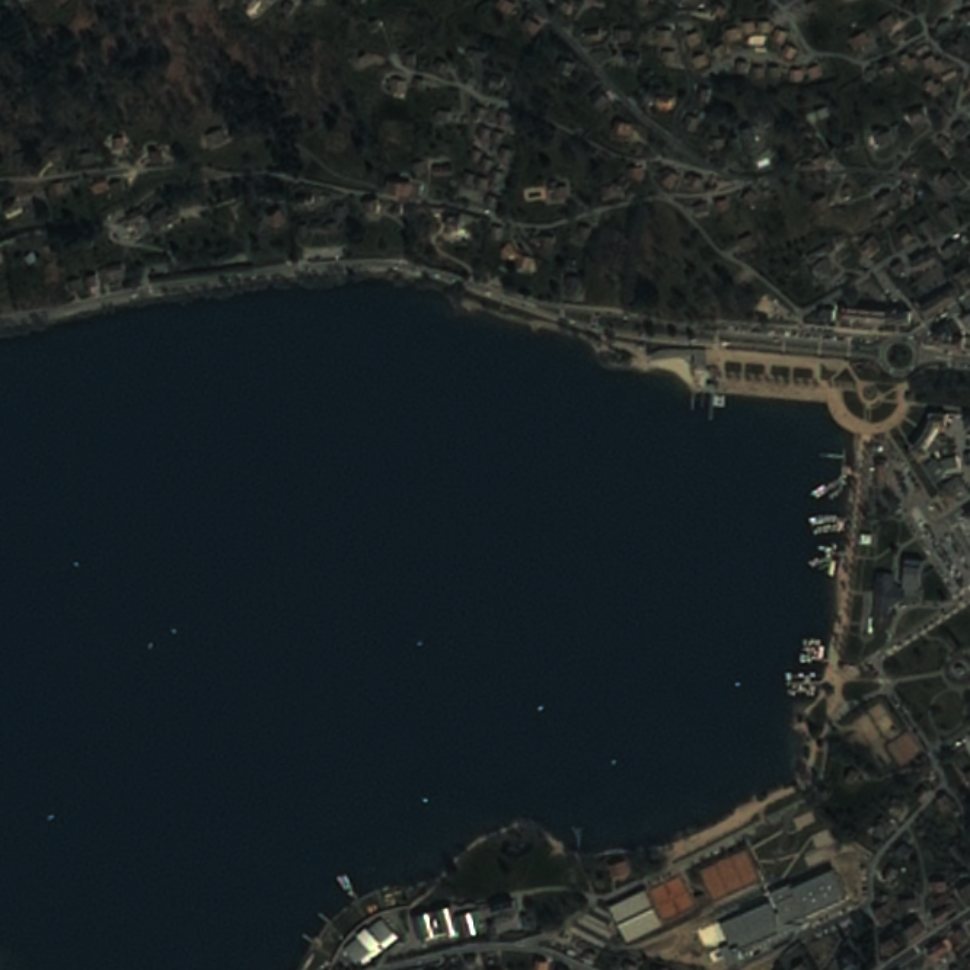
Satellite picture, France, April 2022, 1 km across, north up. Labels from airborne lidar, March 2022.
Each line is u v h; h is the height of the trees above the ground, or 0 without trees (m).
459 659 0
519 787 0
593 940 0
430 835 0
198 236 0
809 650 0
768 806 0
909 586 0
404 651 0
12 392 0
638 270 25
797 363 0
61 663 0
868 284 0
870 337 0
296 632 0
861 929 17
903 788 17
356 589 0
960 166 0
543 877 0
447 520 0
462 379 0
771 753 0
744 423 0
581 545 0
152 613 0
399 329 0
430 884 21
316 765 0
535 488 0
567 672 0
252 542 0
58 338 0
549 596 0
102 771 0
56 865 0
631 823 0
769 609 0
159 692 0
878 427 0
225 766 0
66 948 0
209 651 0
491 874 0
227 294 15
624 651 0
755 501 0
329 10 0
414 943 0
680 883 0
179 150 7
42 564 0
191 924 0
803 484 0
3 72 8
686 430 0
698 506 0
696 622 0
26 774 0
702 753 0
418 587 0
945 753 10
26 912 0
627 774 0
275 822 0
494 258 0
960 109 0
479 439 0
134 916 0
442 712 0
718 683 0
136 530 0
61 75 23
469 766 0
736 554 0
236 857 0
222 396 0
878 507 6
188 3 0
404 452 0
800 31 0
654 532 0
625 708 0
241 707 0
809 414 0
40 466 0
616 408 0
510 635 0
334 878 0
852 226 0
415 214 16
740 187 0
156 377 0
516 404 0
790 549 0
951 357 0
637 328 0
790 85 6
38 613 0
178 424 0
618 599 0
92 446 0
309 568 0
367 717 0
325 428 0
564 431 0
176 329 0
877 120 0
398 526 0
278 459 0
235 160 0
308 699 0
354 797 0
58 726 0
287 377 0
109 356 0
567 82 0
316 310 0
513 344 0
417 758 0
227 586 0
